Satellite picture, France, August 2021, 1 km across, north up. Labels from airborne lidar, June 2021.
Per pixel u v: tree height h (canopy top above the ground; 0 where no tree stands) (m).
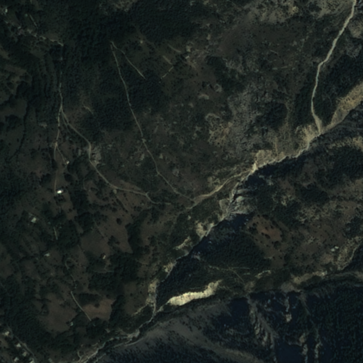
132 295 9
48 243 8
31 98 13
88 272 7
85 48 19
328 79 9
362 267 6
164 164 0
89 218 8
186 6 12
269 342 0
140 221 10
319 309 12
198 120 7
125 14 6
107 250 0
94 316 0
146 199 0
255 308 0
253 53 0
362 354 18
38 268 6
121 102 8
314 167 0
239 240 9
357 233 10
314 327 13
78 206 12
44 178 11
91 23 15
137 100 10
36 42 6
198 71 0
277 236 0
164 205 9
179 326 0
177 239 9
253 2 0
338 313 14
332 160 10
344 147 7
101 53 14
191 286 7
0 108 14
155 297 0
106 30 20
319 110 11
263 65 6
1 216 7
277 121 12
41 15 14
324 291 8
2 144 8
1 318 12
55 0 14
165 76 0
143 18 7
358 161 8
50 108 8
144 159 6
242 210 0
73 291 6
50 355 8
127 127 7
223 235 6
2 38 22
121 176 7
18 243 9
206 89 10
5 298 15
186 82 0
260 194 8
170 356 6
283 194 6
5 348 8
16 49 20
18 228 7
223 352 0
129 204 0
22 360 9
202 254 7
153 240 11
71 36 7
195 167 6
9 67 0
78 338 16
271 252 0
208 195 0
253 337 6
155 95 8
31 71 10
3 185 12
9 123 7
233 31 0
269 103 7
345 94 10
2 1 19
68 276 9
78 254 0
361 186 0
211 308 0
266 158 0
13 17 0
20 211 0
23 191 6
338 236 0
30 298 10
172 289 8
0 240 12
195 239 5
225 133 0
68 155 0
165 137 0
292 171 10
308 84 10
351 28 0
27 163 0
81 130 6
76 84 6
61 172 0
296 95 6
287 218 7
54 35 0
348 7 0
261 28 0
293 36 0
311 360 7
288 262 10
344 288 6
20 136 0
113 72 6
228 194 7
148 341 0
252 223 0
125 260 11
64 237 8
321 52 7
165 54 0
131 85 7
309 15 6
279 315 0
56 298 0
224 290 6
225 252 8
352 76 8
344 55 6
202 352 6
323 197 11
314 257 6
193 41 0
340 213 6
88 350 0
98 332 17
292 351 0
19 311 6
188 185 0
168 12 10
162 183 0
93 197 0
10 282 8
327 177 7
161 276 6
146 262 0
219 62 9
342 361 15
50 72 8
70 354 0
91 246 0
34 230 8
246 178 0
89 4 16
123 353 0
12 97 13
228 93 7
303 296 0
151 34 8
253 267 6
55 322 0
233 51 0
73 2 12
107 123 7
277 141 0
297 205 6
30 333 11
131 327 9
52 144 0
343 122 0
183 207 9
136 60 0
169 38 7
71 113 0
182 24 6
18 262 8
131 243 16
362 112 0
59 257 0
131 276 14
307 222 13
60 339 11
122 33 23
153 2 6
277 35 0
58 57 21
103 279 15
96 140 8
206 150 0
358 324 21
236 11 6
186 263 6
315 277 7
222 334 7
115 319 24
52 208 0
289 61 0
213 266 7
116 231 0
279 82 8
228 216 0
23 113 0
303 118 10
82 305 0
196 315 0
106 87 7
